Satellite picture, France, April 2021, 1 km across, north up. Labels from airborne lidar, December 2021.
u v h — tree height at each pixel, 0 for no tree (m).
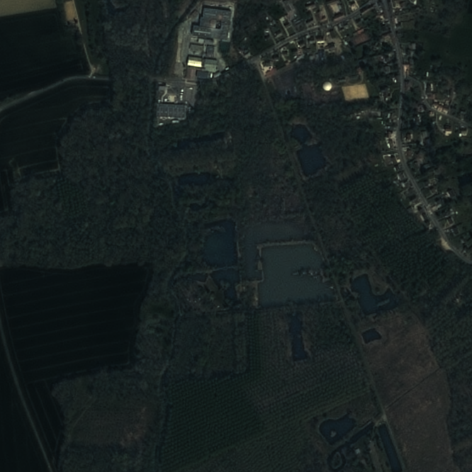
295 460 20
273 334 30
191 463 24
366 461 9
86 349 0
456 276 7
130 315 0
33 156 0
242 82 16
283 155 13
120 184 27
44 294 0
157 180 29
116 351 0
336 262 20
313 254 0
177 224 24
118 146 31
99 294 0
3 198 0
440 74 14
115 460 26
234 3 0
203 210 18
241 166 7
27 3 0
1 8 0
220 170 15
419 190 0
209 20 0
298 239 0
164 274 13
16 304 0
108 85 0
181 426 26
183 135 9
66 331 0
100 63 0
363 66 18
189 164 30
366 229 10
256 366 24
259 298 0
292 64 0
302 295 0
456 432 9
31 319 0
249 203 7
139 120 21
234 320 16
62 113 0
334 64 26
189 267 25
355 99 0
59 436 0
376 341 0
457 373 16
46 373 0
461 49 0
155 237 20
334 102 14
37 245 29
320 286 0
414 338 0
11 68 0
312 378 28
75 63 0
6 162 0
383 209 23
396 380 0
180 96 0
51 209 25
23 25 0
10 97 9
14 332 0
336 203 19
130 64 27
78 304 0
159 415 15
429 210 0
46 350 0
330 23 0
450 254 11
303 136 0
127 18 18
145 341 30
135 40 23
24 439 0
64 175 10
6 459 0
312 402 25
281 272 0
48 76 0
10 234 27
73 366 0
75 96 0
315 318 22
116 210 24
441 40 0
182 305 7
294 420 26
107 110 28
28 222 38
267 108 8
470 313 22
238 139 21
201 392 28
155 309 0
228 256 0
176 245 37
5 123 0
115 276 0
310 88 0
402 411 0
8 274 0
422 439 0
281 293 0
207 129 30
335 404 20
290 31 0
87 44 0
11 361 0
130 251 13
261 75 0
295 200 0
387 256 27
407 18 0
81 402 0
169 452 25
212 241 0
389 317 20
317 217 21
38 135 0
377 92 0
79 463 22
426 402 0
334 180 25
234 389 25
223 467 23
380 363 0
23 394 0
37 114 0
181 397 27
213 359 7
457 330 31
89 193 24
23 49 0
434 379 0
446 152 17
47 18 0
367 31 8
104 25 23
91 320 0
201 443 22
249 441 25
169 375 18
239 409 25
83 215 13
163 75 33
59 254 23
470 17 0
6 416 0
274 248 0
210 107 8
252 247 0
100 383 25
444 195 0
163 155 23
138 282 0
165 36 23
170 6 22
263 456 23
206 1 0
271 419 24
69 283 0
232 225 0
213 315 9
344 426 0
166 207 15
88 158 28
